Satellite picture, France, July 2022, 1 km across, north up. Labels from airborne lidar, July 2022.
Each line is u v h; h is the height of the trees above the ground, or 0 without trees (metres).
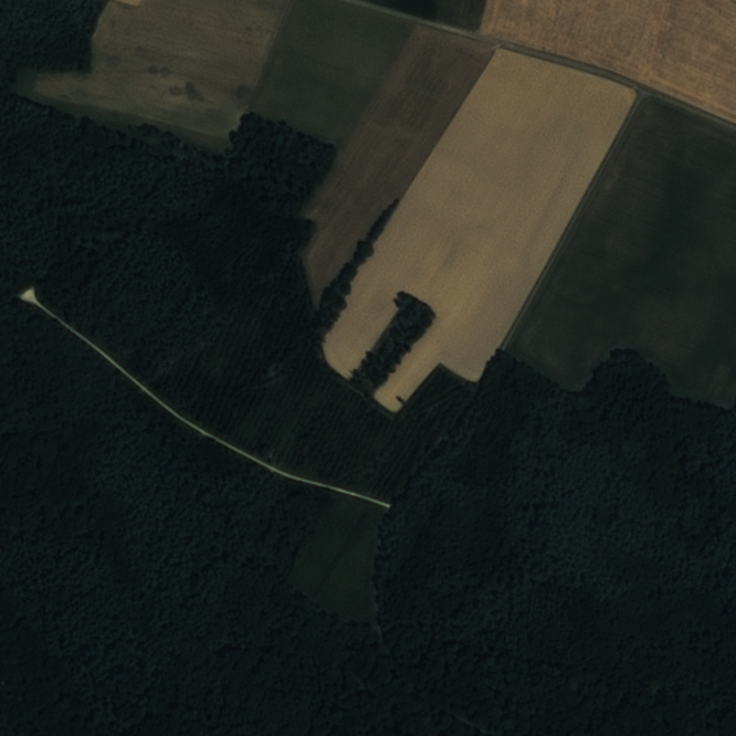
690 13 0
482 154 0
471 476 19
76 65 13
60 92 0
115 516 23
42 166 23
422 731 30
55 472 28
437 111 0
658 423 25
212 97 0
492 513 20
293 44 0
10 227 31
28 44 18
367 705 32
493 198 0
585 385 0
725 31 0
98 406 21
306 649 30
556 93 0
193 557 22
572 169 0
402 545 25
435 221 0
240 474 10
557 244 0
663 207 0
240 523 24
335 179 0
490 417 24
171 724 31
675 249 0
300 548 17
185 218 12
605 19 0
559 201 0
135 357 7
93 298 13
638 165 0
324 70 0
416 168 0
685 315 0
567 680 23
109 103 0
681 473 11
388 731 30
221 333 7
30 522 25
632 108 0
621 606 22
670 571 23
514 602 27
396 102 0
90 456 14
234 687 28
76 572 22
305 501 27
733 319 0
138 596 21
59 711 32
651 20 0
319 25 0
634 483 20
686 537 23
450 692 32
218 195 11
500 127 0
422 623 9
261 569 21
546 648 24
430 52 0
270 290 9
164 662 24
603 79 0
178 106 0
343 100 0
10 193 30
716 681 25
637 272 0
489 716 27
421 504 26
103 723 21
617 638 22
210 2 0
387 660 27
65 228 20
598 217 0
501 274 0
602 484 24
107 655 28
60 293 22
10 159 24
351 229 0
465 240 0
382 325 0
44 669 31
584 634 25
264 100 0
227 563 23
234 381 9
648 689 31
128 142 26
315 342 11
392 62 0
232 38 0
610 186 0
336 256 0
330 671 29
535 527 24
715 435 23
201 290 16
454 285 0
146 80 0
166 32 0
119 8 0
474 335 0
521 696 30
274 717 22
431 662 29
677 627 25
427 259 0
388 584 17
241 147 24
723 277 0
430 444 7
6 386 26
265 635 20
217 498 20
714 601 28
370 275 0
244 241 7
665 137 0
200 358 8
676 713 31
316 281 0
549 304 0
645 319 0
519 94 0
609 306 0
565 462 21
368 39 0
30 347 21
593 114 0
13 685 29
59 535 26
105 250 24
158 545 23
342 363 0
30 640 30
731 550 24
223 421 7
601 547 19
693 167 0
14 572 18
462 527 19
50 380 19
